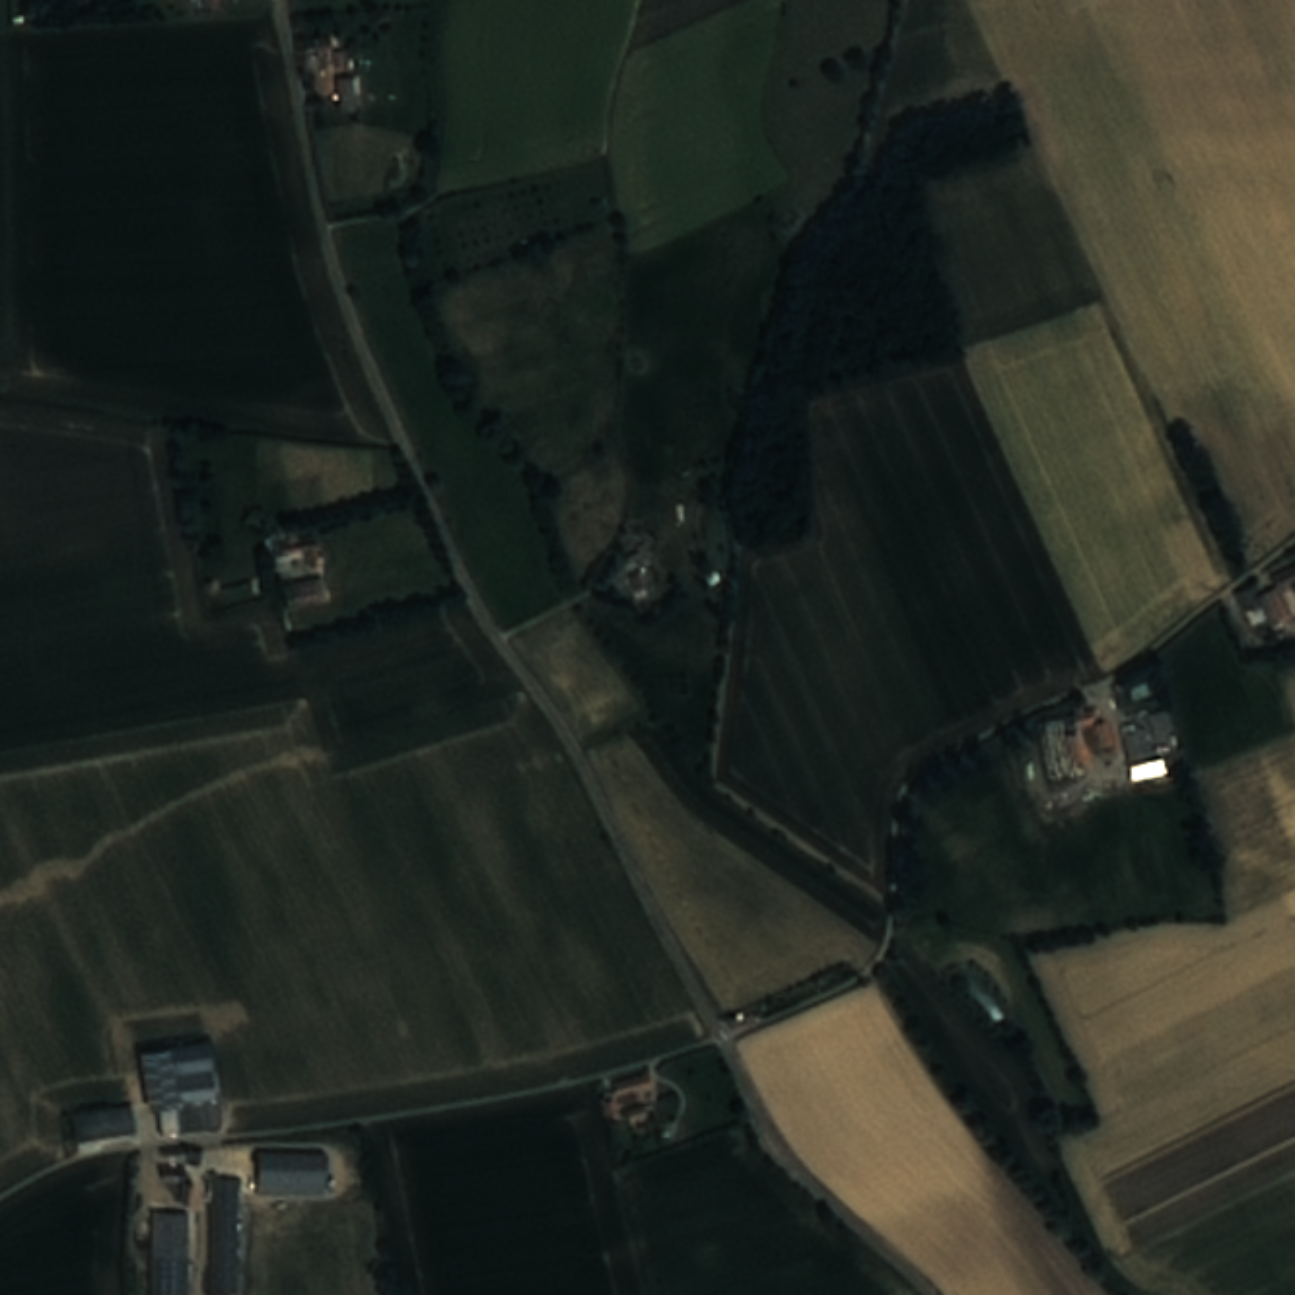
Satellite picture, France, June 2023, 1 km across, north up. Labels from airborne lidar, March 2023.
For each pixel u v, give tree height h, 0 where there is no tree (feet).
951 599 0
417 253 42
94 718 0
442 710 0
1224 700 0
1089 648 0
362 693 0
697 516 0
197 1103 0
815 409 0
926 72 0
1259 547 0
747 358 0
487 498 0
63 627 0
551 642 0
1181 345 0
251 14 0
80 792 0
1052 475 0
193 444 0
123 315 0
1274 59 0
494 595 0
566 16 0
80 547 0
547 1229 0
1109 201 0
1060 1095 0
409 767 0
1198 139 0
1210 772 0
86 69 0
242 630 0
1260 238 0
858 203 63
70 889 0
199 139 0
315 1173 0
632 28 0
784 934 0
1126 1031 0
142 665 0
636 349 0
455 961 0
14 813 0
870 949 0
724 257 0
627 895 0
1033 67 0
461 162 0
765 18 0
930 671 0
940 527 0
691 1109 0
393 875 0
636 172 0
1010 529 0
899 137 38
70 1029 0
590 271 0
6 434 0
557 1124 0
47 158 0
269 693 0
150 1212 0
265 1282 0
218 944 0
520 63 0
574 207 0
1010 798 0
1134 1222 0
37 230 0
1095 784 0
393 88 0
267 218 0
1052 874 0
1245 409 0
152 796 0
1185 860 0
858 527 0
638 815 0
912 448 0
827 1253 0
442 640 0
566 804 0
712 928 0
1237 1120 0
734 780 0
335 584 0
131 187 0
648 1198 0
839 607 0
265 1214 0
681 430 0
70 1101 0
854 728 0
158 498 0
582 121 0
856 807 0
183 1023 0
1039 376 0
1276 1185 0
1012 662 0
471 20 0
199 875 0
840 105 0
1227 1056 0
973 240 0
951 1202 0
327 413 0
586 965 0
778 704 0
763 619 0
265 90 0
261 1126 0
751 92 0
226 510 0
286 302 0
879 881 0
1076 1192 0
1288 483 0
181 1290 0
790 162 0
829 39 0
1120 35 0
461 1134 0
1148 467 0
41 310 0
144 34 0
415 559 0
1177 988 0
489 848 0
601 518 0
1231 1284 0
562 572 29
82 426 0
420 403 0
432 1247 0
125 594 0
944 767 77
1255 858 0
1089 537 0
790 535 37
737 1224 0
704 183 0
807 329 75
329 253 0
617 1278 0
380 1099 0
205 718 0
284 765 0
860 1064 0
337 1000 0
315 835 0
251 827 0
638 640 0
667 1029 0
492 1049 0
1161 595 0
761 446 73
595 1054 0
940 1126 0
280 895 0
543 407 0
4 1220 0
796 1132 0
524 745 0
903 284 81
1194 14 0
